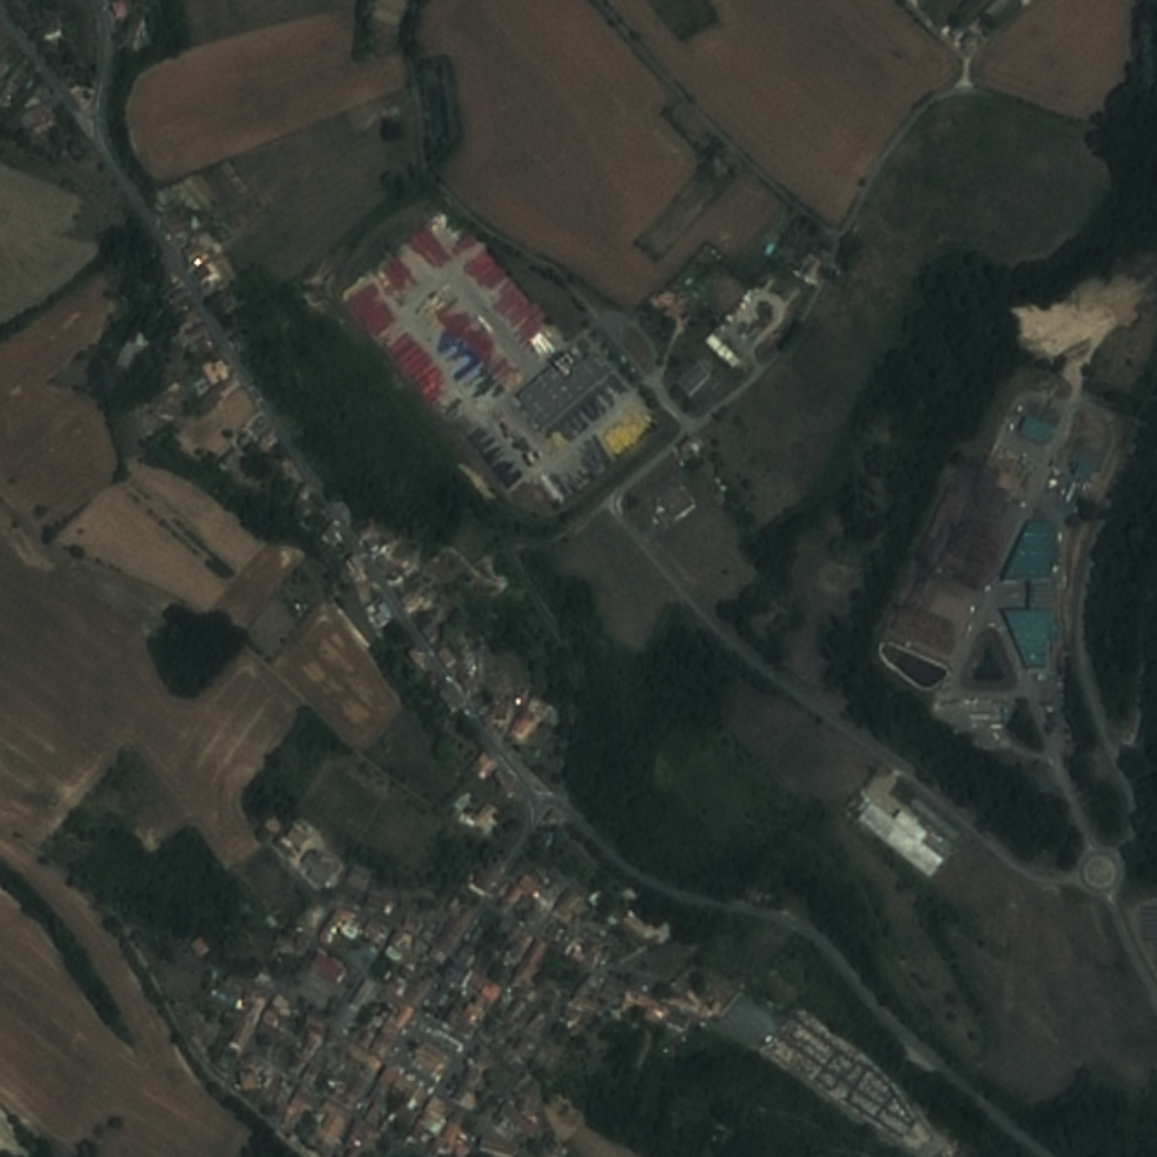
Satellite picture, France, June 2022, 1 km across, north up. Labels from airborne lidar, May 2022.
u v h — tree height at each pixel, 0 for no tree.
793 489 0
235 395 0
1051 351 0
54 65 10
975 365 18
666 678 14
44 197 0
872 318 0
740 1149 12
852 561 0
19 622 0
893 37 0
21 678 0
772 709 0
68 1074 0
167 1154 0
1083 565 0
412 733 0
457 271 0
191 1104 0
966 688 0
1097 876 0
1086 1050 0
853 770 0
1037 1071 0
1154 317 0
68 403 0
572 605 11
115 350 5
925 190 0
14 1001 0
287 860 0
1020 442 0
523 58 0
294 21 0
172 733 0
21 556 0
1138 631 14
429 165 6
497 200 0
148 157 0
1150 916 0
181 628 9
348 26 0
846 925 6
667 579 0
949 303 12
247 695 0
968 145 0
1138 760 21
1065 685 10
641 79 0
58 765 0
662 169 0
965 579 0
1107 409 0
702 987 11
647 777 8
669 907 12
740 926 8
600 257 0
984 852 0
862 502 17
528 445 0
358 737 0
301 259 0
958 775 8
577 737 20
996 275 21
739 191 0
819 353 0
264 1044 11
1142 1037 0
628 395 0
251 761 0
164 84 0
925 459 11
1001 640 0
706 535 0
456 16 0
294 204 0
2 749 0
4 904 0
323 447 10
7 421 0
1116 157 20
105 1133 10
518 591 6
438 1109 0
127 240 7
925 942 0
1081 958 0
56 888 0
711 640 14
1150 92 17
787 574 11
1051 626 0
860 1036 7
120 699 0
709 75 0
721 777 0
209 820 0
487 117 0
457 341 0
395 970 7
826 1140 6
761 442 0
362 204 0
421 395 0
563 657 20
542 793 0
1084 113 0
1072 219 0
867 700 17
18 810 0
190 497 0
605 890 8
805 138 0
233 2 0
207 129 0
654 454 0
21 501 0
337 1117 0
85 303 0
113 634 0
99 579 0
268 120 0
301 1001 7
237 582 0
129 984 0
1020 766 9
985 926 0
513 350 0
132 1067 0
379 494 9
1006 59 0
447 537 15
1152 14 22
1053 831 11
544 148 0
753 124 0
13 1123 12
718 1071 6
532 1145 12
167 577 0
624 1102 14
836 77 0
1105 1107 13
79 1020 0
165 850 7
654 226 0
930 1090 9
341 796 0
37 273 0
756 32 0
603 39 0
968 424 15
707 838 6
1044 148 0
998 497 0
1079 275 15
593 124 0
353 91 0
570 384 0
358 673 0
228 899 6
